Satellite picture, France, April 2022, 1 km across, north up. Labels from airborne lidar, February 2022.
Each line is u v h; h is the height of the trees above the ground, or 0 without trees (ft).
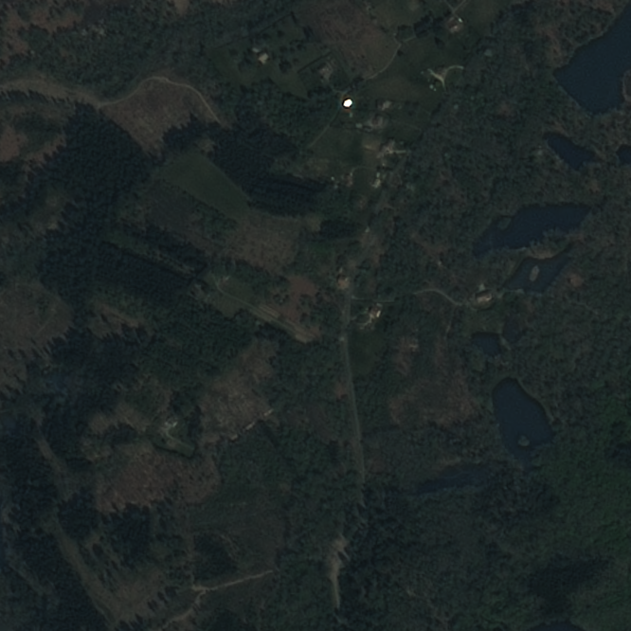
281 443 28
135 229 36
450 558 71
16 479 58
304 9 57
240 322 47
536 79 54
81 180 84
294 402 51
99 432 57
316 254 18
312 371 52
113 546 25
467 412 0
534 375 44
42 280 28
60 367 48
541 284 0
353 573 29
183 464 30
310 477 74
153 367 23
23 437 77
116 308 25
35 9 65
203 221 21
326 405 72
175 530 119
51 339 0
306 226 0
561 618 53
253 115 76
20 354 0
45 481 62
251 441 61
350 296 0
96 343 78
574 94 0
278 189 74
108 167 104
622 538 72
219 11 66
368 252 0
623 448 26
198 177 0
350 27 0
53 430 65
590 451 84
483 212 76
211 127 21
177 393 22
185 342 48
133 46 61
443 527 60
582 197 47
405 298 30
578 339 46
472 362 68
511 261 50
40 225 0
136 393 27
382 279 29
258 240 0
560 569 22
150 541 81
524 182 78
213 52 0
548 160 24
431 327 22
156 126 0
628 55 0
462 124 64
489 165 66
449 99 61
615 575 76
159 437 38
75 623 84
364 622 26
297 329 0
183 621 0
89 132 109
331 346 61
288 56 56
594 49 0
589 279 66
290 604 67
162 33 58
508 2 0
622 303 60
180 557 37
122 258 85
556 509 65
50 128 20
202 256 63
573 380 57
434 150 58
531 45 61
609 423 68
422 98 0
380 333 0
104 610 0
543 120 65
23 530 66
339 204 69
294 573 90
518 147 66
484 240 0
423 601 52
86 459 43
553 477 79
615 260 31
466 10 0
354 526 68
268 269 0
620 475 73
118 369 65
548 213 0
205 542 30
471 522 75
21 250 69
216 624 21
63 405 28
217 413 0
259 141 53
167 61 59
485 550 73
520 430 0
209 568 25
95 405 78
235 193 0
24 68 77
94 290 92
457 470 0
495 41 28
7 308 0
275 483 38
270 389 36
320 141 0
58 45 75
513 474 26
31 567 80
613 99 0
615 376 69
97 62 61
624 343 62
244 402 0
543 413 0
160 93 0
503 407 0
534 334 45
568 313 32
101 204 92
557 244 66
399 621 69
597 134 58
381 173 31
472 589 24
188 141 76
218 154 51
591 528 87
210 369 63
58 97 0
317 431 54
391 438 82
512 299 32
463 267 46
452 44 0
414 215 32
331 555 43
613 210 84
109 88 21
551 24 40
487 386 69
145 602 0
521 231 0
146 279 67
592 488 71
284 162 36
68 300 94
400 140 0
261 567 0
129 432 89
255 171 60
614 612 72
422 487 0
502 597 73
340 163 0
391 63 0
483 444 84
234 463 60
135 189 97
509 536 53
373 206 52
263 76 0
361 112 21
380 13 0
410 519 101
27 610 75
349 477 39
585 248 60
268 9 66
